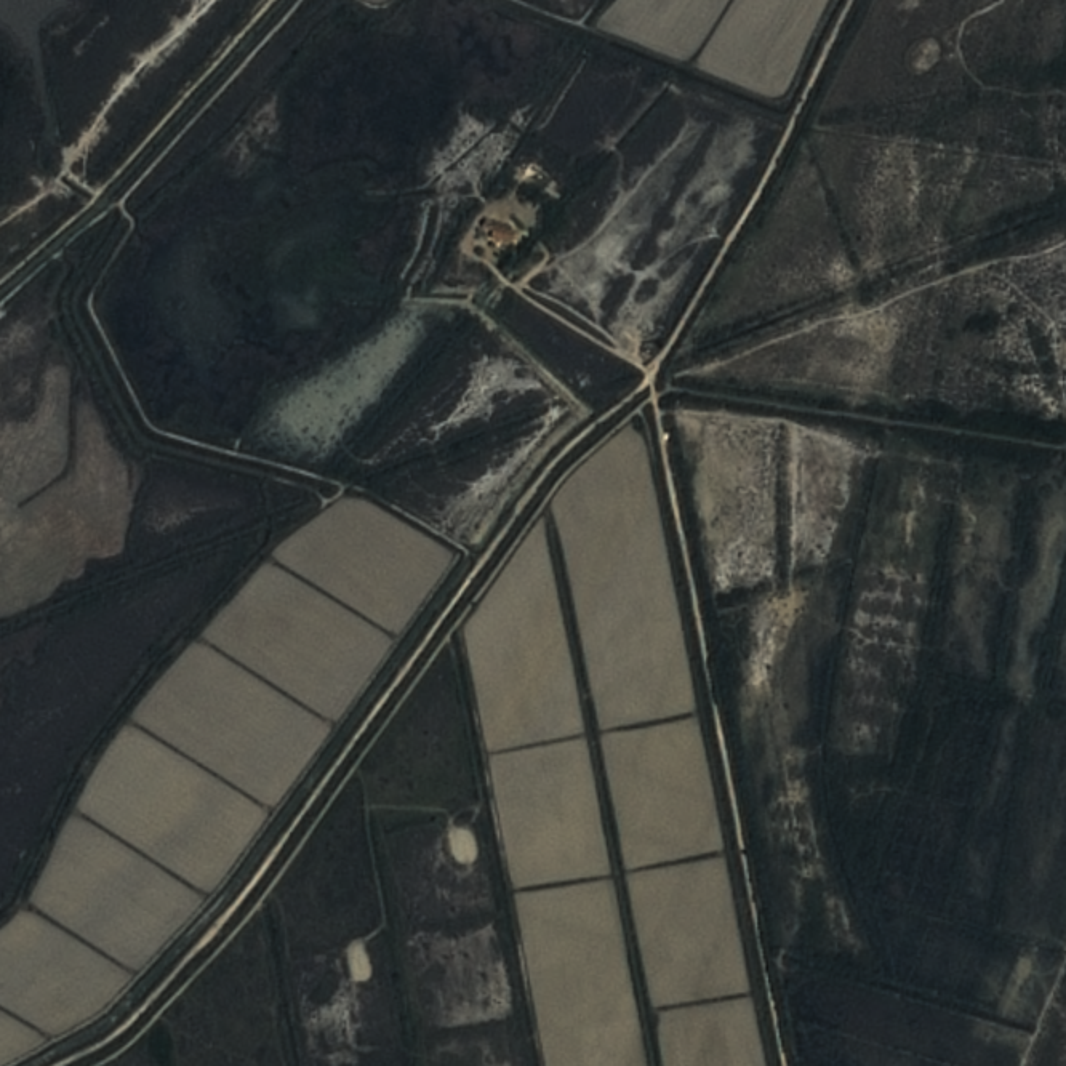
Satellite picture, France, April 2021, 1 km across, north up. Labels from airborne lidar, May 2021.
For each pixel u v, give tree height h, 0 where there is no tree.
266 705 0
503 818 0
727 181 0
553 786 0
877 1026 0
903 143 0
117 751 0
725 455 0
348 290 0
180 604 0
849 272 0
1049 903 0
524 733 0
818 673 0
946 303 0
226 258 0
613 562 0
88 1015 0
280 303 0
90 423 0
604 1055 0
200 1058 0
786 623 0
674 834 0
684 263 0
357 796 0
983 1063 0
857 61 0
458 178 0
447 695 0
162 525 0
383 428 6
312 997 0
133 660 0
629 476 0
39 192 0
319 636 0
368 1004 0
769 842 0
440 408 0
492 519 0
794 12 0
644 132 0
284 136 0
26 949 0
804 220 0
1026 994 0
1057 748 0
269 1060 0
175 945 0
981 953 0
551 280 0
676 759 0
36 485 0
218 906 0
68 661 0
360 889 0
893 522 0
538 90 5
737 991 0
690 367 0
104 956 0
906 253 0
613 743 0
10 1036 0
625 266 0
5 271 0
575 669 0
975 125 0
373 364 0
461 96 0
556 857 0
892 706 0
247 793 0
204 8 0
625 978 0
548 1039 0
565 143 0
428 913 0
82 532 0
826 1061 0
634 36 0
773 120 0
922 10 0
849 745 0
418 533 0
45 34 6
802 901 0
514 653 0
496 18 0
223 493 0
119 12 0
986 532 0
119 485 0
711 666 6
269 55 0
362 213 0
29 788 0
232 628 0
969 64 0
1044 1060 0
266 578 0
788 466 0
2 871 0
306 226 0
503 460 0
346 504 0
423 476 0
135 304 0
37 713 0
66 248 6
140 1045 0
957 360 0
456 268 0
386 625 0
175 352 0
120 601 6
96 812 0
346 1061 0
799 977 0
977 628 0
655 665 0
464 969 0
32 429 0
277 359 0
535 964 0
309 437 0
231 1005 0
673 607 0
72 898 0
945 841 0
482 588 0
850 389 0
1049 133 0
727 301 0
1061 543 0
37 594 0
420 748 0
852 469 0
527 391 0
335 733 0
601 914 0
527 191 5
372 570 0
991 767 0
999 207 0
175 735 0
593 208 0
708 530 0
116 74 0
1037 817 0
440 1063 0
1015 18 0
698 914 0
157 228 0
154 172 0
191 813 0
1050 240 0
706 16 0
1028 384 0
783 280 0
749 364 0
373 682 0
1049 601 0
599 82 0
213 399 0
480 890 0
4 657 0
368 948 0
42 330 0
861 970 6
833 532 0
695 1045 0
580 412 0
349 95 0
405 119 0
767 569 0
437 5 0
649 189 0
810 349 0
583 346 0
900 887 0
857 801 0
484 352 0
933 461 0
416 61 0
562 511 0
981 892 0
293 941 0
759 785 0
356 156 0
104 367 0
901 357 0
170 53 0
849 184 0
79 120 0
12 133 0
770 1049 0
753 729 0
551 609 0
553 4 0
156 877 0
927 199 0
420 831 0
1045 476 0
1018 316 0
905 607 0
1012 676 0
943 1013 0
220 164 0
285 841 0
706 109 0
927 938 0
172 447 0
